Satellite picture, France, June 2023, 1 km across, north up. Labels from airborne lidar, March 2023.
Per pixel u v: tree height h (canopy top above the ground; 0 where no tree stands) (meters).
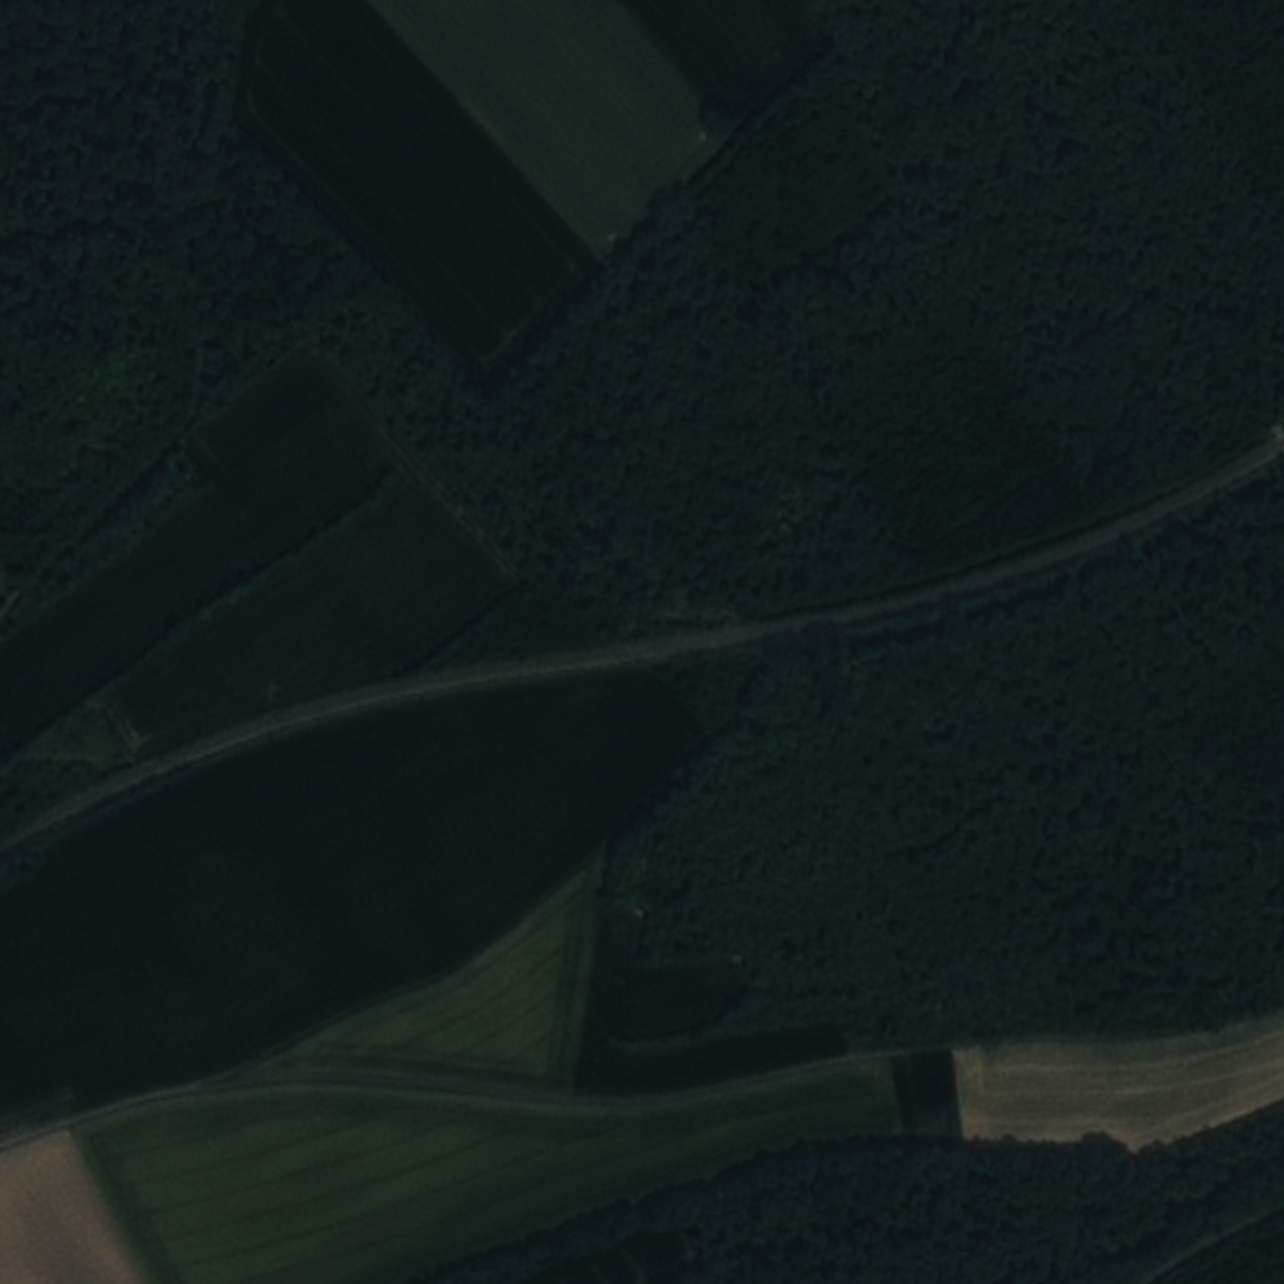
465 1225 0
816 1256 10
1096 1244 10
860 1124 0
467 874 0
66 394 8
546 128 0
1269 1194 15
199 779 0
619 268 19
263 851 0
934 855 11
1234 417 16
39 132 25
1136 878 8
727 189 8
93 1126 0
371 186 0
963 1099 0
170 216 30
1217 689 15
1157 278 19
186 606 0
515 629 7
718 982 0
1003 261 21
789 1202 23
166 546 0
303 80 0
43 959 0
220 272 22
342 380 0
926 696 15
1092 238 19
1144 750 20
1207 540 20
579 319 15
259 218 25
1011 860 10
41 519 9
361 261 17
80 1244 0
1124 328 27
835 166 9
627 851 14
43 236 22
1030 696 15
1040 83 22
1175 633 19
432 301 0
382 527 0
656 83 0
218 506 0
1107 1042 0
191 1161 0
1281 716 20
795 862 8
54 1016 0
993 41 25
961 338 9
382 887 0
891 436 8
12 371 22
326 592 0
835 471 18
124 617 0
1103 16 21
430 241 0
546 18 0
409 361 11
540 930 0
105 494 9
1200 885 19
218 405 13
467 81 0
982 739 21
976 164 22
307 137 0
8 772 7
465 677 0
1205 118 18
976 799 10
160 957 0
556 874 0
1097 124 22
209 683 0
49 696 0
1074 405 26
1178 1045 0
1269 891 19
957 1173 22
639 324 17
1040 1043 0
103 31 24
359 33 0
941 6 24
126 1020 0
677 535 21
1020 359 18
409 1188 0
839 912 8
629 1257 0
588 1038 0
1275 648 14
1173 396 18
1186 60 15
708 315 22
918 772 8
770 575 15
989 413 5
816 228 11
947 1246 25
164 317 17
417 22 0
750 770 17
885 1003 9
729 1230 9
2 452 9
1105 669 19
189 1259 0
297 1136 0
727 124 15
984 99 23
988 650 16
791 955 11
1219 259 19
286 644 0
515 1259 18
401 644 0
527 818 0
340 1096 0
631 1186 0
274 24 0
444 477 11
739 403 19
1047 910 15
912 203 20
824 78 8
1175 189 20
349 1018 0
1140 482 25
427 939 0
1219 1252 6
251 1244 0
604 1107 0
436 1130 0
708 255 13
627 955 0
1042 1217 21
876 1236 27
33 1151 0
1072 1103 0
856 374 10
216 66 20
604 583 12
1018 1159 22
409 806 0
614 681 0
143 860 0
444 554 0
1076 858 6
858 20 20
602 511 8
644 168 0
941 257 19
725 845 10
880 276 21
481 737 0
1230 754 17
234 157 22
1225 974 21
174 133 20
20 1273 0
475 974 0
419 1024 0
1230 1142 14
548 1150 0
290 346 10
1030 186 24
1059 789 18
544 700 0
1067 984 16
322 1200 0
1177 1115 0
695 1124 0
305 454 0
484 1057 0
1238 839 20
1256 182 18
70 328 21
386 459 0
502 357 0
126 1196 0
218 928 0
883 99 23
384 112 0
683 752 0
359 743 0
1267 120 13
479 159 0
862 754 8
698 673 7
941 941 11
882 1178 24
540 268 0
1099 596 22
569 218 0
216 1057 0
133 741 0
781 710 12
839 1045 0
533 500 8
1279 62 15
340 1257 0
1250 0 18
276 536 0
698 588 22
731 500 24
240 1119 0
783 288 22
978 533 11
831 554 25
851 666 13
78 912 0
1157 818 20
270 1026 0
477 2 0
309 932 0
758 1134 0
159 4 22
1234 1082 0
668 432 24
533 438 22
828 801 10
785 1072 0
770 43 0
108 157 23
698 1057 0
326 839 0
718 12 0
